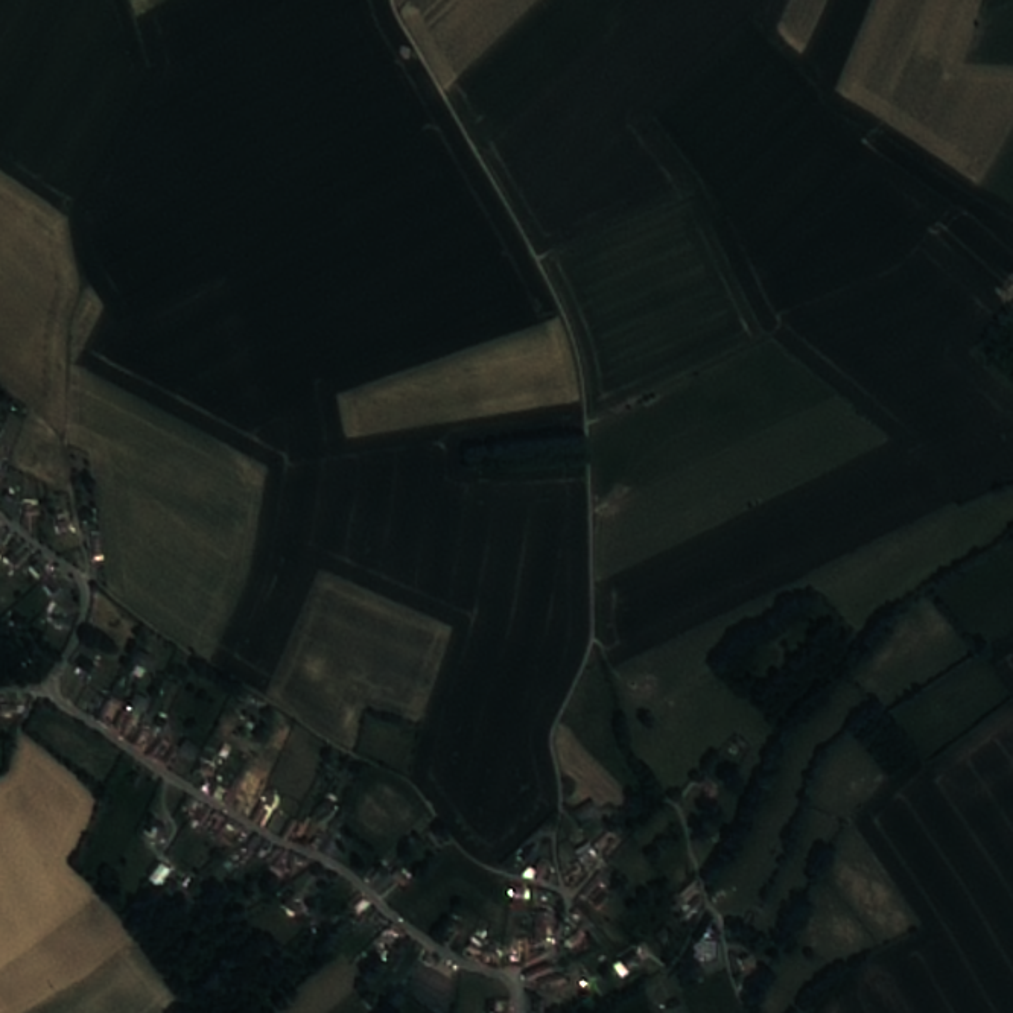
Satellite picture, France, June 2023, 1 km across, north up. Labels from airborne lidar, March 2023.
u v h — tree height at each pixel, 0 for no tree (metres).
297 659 0
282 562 0
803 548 0
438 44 0
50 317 0
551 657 0
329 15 0
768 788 11
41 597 0
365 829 0
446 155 0
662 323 0
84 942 0
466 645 0
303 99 0
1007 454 0
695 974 15
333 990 0
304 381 0
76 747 0
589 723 0
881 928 0
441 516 0
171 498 0
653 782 19
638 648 0
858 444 0
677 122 0
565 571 0
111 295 0
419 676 0
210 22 0
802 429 0
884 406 0
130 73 0
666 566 0
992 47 0
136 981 0
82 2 0
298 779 0
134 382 0
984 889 0
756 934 13
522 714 0
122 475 0
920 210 0
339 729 0
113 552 0
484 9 0
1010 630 0
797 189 0
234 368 0
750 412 0
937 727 0
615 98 0
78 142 0
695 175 0
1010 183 0
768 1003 0
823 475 0
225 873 0
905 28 0
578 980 0
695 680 0
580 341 0
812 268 0
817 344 0
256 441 0
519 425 0
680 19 0
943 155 0
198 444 0
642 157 0
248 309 0
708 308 0
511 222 0
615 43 0
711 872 16
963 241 0
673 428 0
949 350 0
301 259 0
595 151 0
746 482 0
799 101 0
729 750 0
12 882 0
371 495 0
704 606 0
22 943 0
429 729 0
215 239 0
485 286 0
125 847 0
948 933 0
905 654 0
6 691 0
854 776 0
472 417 0
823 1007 0
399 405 0
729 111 0
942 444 0
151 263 0
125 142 0
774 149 0
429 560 0
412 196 0
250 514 0
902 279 0
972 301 0
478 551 0
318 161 0
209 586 0
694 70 0
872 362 0
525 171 0
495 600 0
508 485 0
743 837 13
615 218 0
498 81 0
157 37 0
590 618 0
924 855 0
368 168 0
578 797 0
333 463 0
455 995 0
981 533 0
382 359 0
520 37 0
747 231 0
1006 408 0
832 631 14
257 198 0
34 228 0
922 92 0
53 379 0
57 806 0
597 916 0
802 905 21
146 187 0
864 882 0
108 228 0
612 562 0
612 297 0
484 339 0
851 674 7
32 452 0
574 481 0
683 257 0
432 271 0
